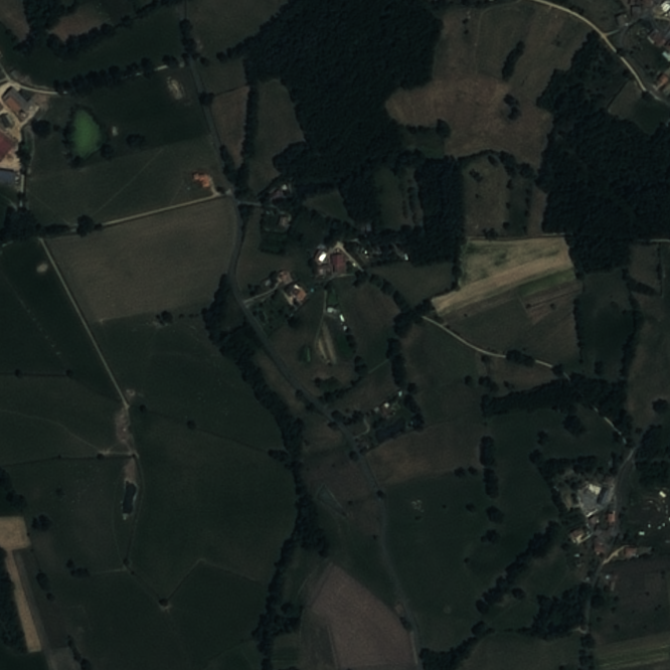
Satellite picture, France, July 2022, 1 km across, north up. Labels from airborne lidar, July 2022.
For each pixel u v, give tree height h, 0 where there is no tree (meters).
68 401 0
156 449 0
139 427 0
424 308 14
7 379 0
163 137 0
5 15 0
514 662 0
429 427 0
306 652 0
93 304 0
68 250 0
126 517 0
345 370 0
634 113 0
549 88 8
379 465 0
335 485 0
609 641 0
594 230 17
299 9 21
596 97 9
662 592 0
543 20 0
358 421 17
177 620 0
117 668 0
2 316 0
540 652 0
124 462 0
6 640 10
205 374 0
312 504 17
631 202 23
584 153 13
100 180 0
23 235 23
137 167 0
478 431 0
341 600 0
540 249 0
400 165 20
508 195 0
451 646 0
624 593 0
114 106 0
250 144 17
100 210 0
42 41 16
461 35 0
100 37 21
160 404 0
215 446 0
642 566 0
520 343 0
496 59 0
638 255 0
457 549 0
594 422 0
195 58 10
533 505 0
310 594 0
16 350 0
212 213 0
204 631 0
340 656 0
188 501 0
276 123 0
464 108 0
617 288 0
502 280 0
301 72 18
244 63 9
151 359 0
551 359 0
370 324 0
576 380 15
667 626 0
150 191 0
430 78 16
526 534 0
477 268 0
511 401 11
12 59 0
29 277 0
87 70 0
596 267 11
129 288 0
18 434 0
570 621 16
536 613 0
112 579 0
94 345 0
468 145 0
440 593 0
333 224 16
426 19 13
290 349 0
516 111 15
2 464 0
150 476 0
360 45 16
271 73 17
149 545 0
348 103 12
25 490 0
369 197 21
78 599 0
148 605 0
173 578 0
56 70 0
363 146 19
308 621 0
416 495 0
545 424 0
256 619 0
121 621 0
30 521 0
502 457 0
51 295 0
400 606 0
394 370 13
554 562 0
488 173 0
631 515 0
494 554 0
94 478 0
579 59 10
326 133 14
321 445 0
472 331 0
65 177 0
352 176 19
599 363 11
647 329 0
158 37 0
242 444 0
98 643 0
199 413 0
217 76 0
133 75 20
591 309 0
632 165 16
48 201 0
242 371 10
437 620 0
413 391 18
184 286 0
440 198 16
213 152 0
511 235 0
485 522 0
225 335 18
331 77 13
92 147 0
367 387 0
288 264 0
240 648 0
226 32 0
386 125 18
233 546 0
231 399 0
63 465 0
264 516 0
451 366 0
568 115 9
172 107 0
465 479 17
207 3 0
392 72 17
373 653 0
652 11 0
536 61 0
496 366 0
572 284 0
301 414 0
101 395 0
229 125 0
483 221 0
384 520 0
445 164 20
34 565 0
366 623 0
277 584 19
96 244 0
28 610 0
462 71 0
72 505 0
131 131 0
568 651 0
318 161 17
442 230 17
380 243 15
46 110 0
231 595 0
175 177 0
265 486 0
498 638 0
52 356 0
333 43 14
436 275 0
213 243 0
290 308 7
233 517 0
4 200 0
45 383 0
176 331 0
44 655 0
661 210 24
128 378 0
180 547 0
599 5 0
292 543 16
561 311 0
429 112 0
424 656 11
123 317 0
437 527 0
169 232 0
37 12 19
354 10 13
